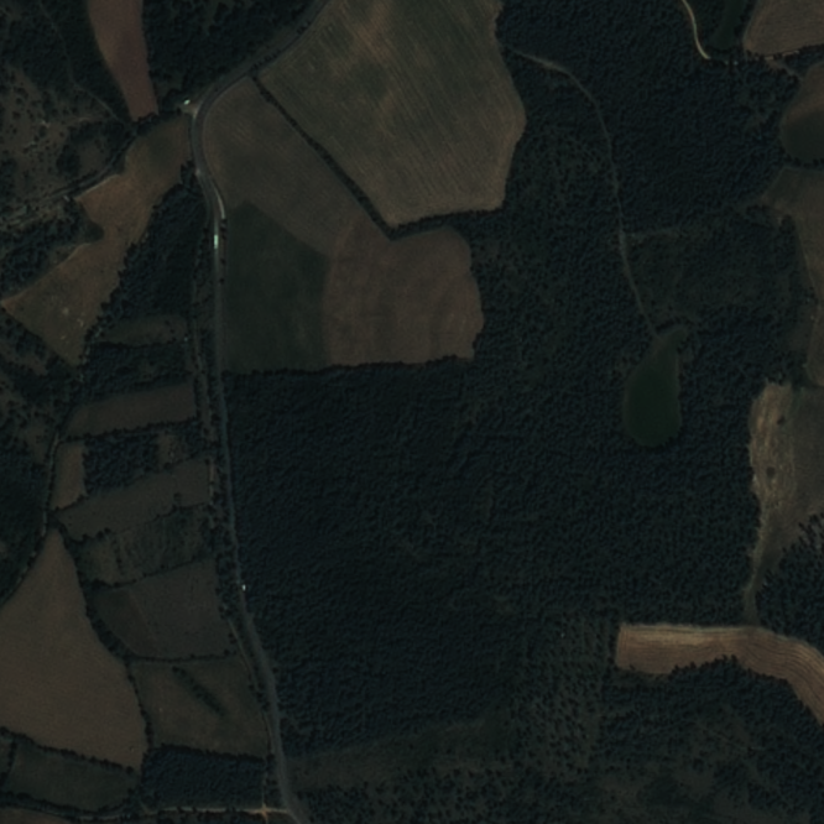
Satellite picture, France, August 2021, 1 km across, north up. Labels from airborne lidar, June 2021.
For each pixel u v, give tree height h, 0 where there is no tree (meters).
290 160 0
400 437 10
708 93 17
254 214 0
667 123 15
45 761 0
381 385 14
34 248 13
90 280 0
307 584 8
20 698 0
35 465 7
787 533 0
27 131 0
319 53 0
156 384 6
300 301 0
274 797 10
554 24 15
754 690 10
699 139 14
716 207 13
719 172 16
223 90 0
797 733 10
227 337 0
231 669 0
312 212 0
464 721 13
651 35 8
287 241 0
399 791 10
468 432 11
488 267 9
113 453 14
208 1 14
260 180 0
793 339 0
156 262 18
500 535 12
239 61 10
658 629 0
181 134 0
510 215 9
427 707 12
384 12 0
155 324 0
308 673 11
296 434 14
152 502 0
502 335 10
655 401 0
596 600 7
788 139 0
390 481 10
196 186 12
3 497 9
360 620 9
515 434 7
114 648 9
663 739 6
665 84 13
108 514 0
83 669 0
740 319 7
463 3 0
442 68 0
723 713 9
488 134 0
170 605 0
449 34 0
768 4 0
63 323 0
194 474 0
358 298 0
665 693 9
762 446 0
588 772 12
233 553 10
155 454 8
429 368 9
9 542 6
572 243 11
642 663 0
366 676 15
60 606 0
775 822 0
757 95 10
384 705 10
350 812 16
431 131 0
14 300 0
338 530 13
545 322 8
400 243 0
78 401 13
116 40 0
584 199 12
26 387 13
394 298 0
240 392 12
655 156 16
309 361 0
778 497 0
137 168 0
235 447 12
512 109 0
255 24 15
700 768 7
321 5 0
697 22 6
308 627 6
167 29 14
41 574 0
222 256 0
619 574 10
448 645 11
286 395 7
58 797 0
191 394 0
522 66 8
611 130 15
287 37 0
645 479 10
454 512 11
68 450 0
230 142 0
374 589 6
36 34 11
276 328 0
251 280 0
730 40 0
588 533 7
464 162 0
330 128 0
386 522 9
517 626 10
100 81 10
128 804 7
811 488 0
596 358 14
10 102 0
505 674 8
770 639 0
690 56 14
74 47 9
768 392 0
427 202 0
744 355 12
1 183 8
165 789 18
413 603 8
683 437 11
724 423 9
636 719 12
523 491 12
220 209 0
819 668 0
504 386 10
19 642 0
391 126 0
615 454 14
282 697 9
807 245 0
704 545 6
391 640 9
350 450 12
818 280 0
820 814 12
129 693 0
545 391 14
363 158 0
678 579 6
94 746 0
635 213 13
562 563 11
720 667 12
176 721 0
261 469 8
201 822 12
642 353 9
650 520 8
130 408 0
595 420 16
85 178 8
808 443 0
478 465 14
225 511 7
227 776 14
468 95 0
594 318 10
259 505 11
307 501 13
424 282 0
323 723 10
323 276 0
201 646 0
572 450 14
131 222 0
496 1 0
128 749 0
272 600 12
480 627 6
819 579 9
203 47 12
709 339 11
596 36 20
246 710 0
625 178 9
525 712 10
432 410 9
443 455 6
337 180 0
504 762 10
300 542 12
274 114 0
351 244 0
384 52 0
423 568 9
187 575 0
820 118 0
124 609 0
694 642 0
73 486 0
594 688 12
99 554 0
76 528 0
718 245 8
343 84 0
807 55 14
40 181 0
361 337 0
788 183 0
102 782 0
